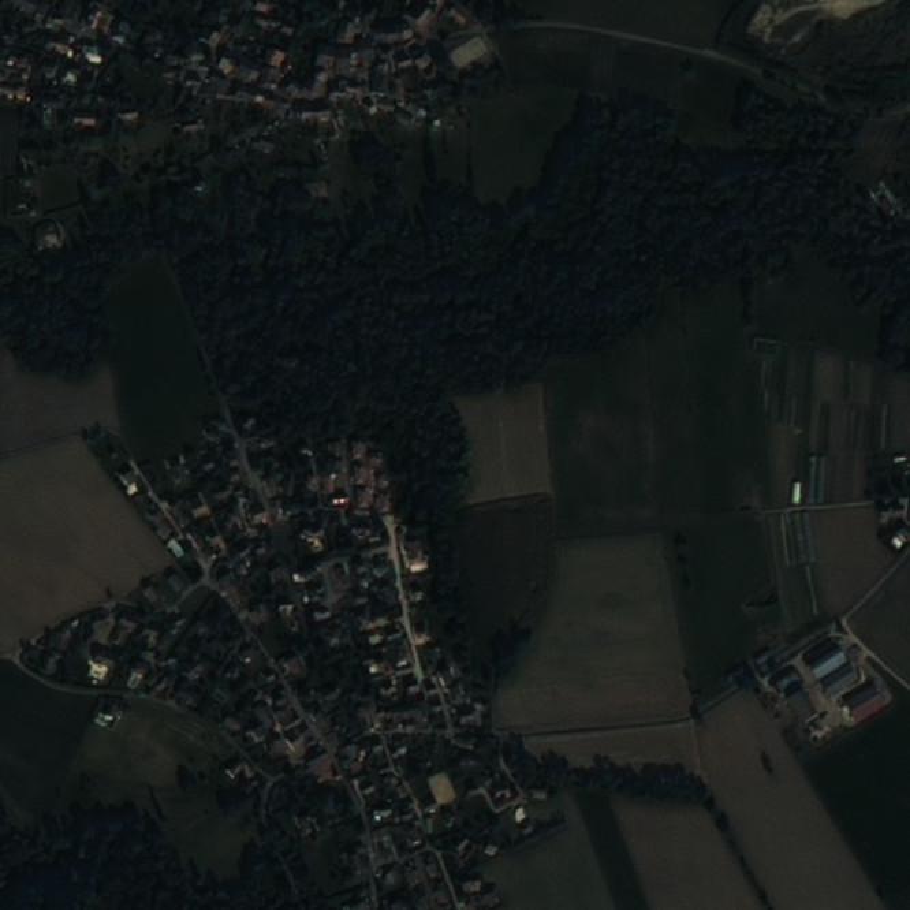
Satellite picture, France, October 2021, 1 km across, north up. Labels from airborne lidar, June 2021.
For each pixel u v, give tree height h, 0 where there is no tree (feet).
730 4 0
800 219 95
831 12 0
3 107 0
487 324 70
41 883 56
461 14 0
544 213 92
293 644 30
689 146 0
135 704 0
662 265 66
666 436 0
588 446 0
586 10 0
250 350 91
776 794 0
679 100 0
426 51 18
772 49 0
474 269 83
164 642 32
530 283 82
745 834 0
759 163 54
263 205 24
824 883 0
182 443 0
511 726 0
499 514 0
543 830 26
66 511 0
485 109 0
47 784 0
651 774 0
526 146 0
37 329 101
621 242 73
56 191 0
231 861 0
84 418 0
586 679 0
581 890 0
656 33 0
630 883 0
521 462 0
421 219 0
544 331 93
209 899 67
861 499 0
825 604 0
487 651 0
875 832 0
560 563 0
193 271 88
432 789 0
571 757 0
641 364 0
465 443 60
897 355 66
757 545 0
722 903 0
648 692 0
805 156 74
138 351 0
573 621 0
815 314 0
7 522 0
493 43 0
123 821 42
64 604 0
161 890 80
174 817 0
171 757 0
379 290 67
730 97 0
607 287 83
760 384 0
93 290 51
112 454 25
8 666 0
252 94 0
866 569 0
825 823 0
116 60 39
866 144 0
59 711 0
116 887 82
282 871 38
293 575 0
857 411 0
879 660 0
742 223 100
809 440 0
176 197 70
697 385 0
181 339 0
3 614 0
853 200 38
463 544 0
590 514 0
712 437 0
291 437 87
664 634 0
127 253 73
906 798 0
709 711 0
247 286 87
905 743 0
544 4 0
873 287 98
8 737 0
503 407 0
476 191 36
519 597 0
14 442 0
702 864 0
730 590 0
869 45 0
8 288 80
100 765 0
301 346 35
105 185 47
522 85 0
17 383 0
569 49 0
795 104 0
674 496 0
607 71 0
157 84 0
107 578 0
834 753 0
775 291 0
